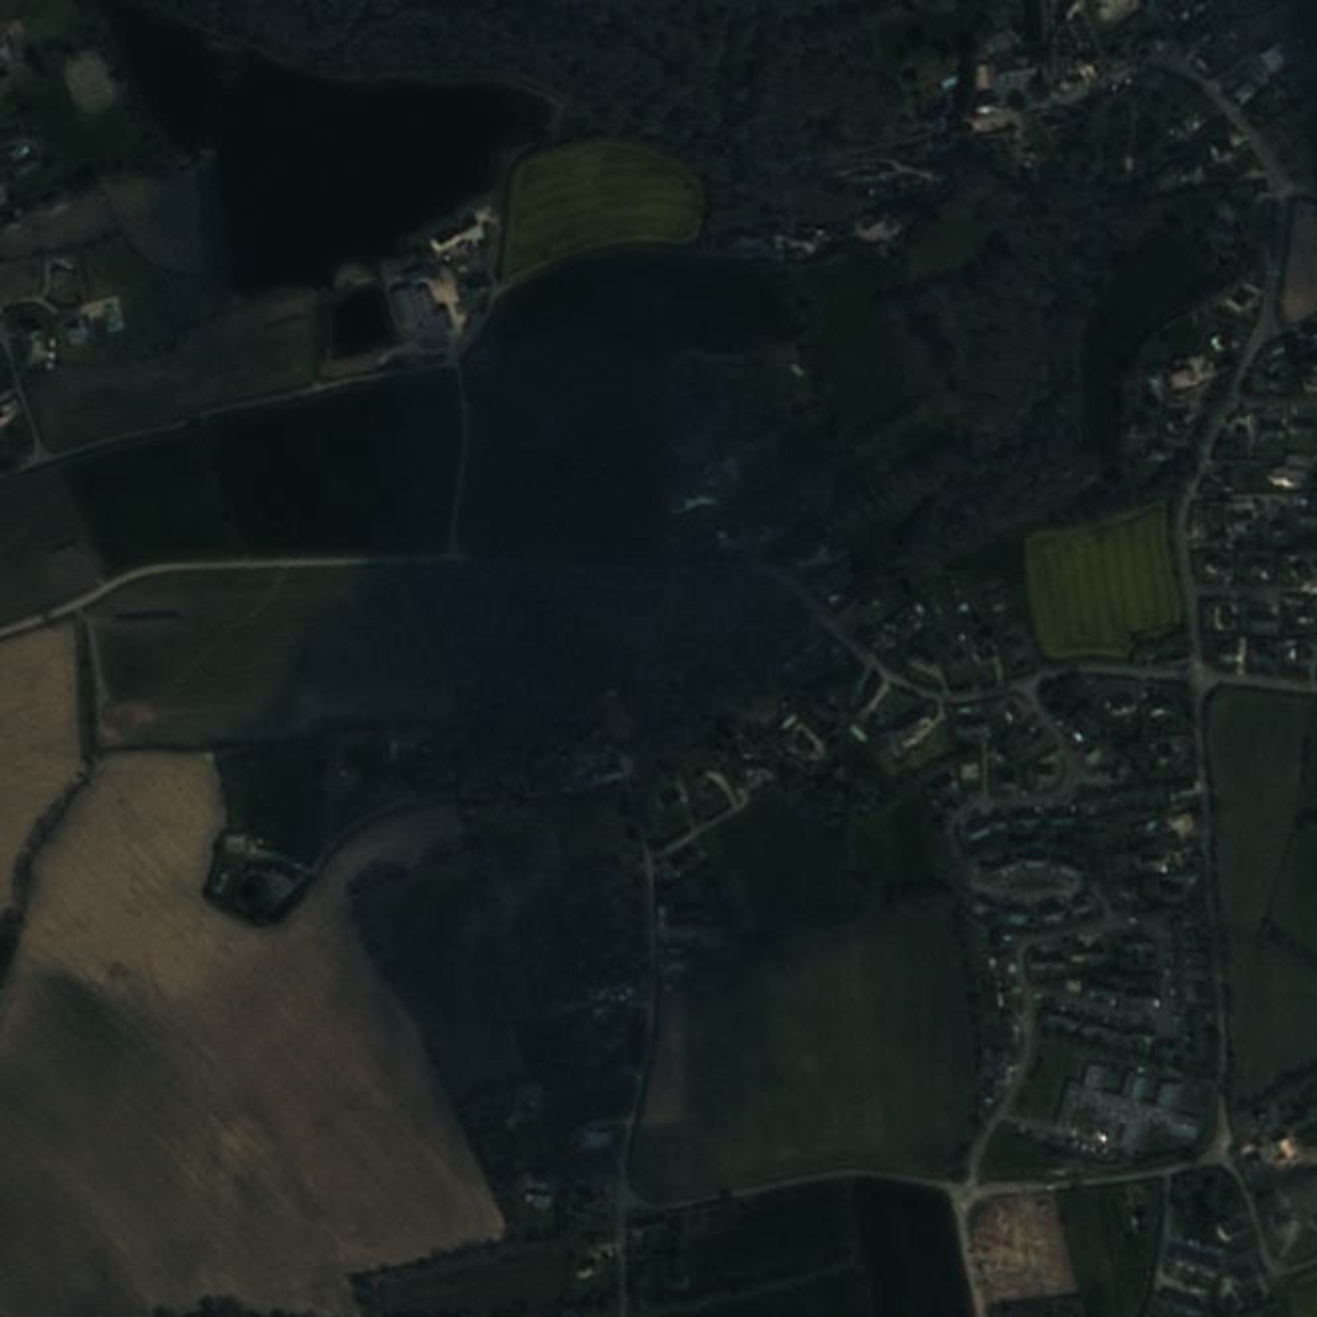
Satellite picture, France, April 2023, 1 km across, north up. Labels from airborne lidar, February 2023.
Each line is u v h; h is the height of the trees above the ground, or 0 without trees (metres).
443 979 0
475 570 10
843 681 0
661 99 17
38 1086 0
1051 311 25
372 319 0
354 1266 0
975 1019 8
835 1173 0
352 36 22
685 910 6
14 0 0
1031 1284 0
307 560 0
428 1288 0
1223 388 10
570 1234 12
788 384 0
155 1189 0
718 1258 0
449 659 16
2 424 0
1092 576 0
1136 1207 0
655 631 13
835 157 19
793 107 16
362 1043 0
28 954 0
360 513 0
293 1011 0
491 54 18
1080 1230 0
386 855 0
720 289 0
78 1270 0
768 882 0
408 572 12
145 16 0
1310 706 0
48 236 0
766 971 0
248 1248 0
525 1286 0
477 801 16
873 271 0
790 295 10
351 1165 0
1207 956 13
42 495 0
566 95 7
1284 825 0
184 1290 0
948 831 13
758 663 15
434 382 0
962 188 24
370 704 0
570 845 0
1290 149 8
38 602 0
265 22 25
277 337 0
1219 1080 7
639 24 15
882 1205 0
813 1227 0
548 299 0
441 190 0
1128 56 0
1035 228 23
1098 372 0
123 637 0
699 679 7
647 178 0
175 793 0
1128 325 0
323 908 0
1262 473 0
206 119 0
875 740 13
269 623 0
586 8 21
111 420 0
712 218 11
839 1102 0
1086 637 0
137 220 0
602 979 13
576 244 0
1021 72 0
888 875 0
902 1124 0
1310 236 0
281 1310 0
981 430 24
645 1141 0
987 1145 0
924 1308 0
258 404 0
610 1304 8
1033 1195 0
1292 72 10
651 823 15
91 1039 0
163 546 0
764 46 16
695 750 10
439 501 0
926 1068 0
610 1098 0
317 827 8
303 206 0
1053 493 11
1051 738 0
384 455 0
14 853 0
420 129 0
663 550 0
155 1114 0
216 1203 0
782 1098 0
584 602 15
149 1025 0
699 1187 0
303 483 0
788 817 0
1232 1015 12
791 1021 0
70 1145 0
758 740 15
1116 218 26
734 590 12
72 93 0
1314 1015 0
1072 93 0
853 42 22
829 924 0
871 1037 0
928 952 0
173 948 0
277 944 0
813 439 0
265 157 0
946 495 21
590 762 0
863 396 0
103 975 0
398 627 0
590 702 10
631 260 0
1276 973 0
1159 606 0
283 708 0
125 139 0
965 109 12
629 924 10
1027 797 0
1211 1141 0
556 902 7
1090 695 11
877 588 17
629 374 0
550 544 0
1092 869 10
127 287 0
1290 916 0
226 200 0
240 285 0
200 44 0
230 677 0
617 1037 9
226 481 0
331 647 0
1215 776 8
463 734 6
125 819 0
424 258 9
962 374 19
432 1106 0
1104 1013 0
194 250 0
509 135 0
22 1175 0
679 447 8
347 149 0
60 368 9
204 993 0
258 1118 0
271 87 0
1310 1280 0
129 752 0
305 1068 0
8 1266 0
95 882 0
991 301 26
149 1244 0
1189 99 7
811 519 0
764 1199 0
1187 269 0
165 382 0
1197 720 15
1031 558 0
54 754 0
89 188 13
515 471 0
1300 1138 0
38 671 0
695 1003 0
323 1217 0
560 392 0
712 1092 0
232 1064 0
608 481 0
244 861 0
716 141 7
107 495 0
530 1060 8
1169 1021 0
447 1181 0
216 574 0
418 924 0
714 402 9
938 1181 0
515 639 6
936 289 16
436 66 8
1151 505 0
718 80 7
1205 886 13
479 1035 0
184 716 0
